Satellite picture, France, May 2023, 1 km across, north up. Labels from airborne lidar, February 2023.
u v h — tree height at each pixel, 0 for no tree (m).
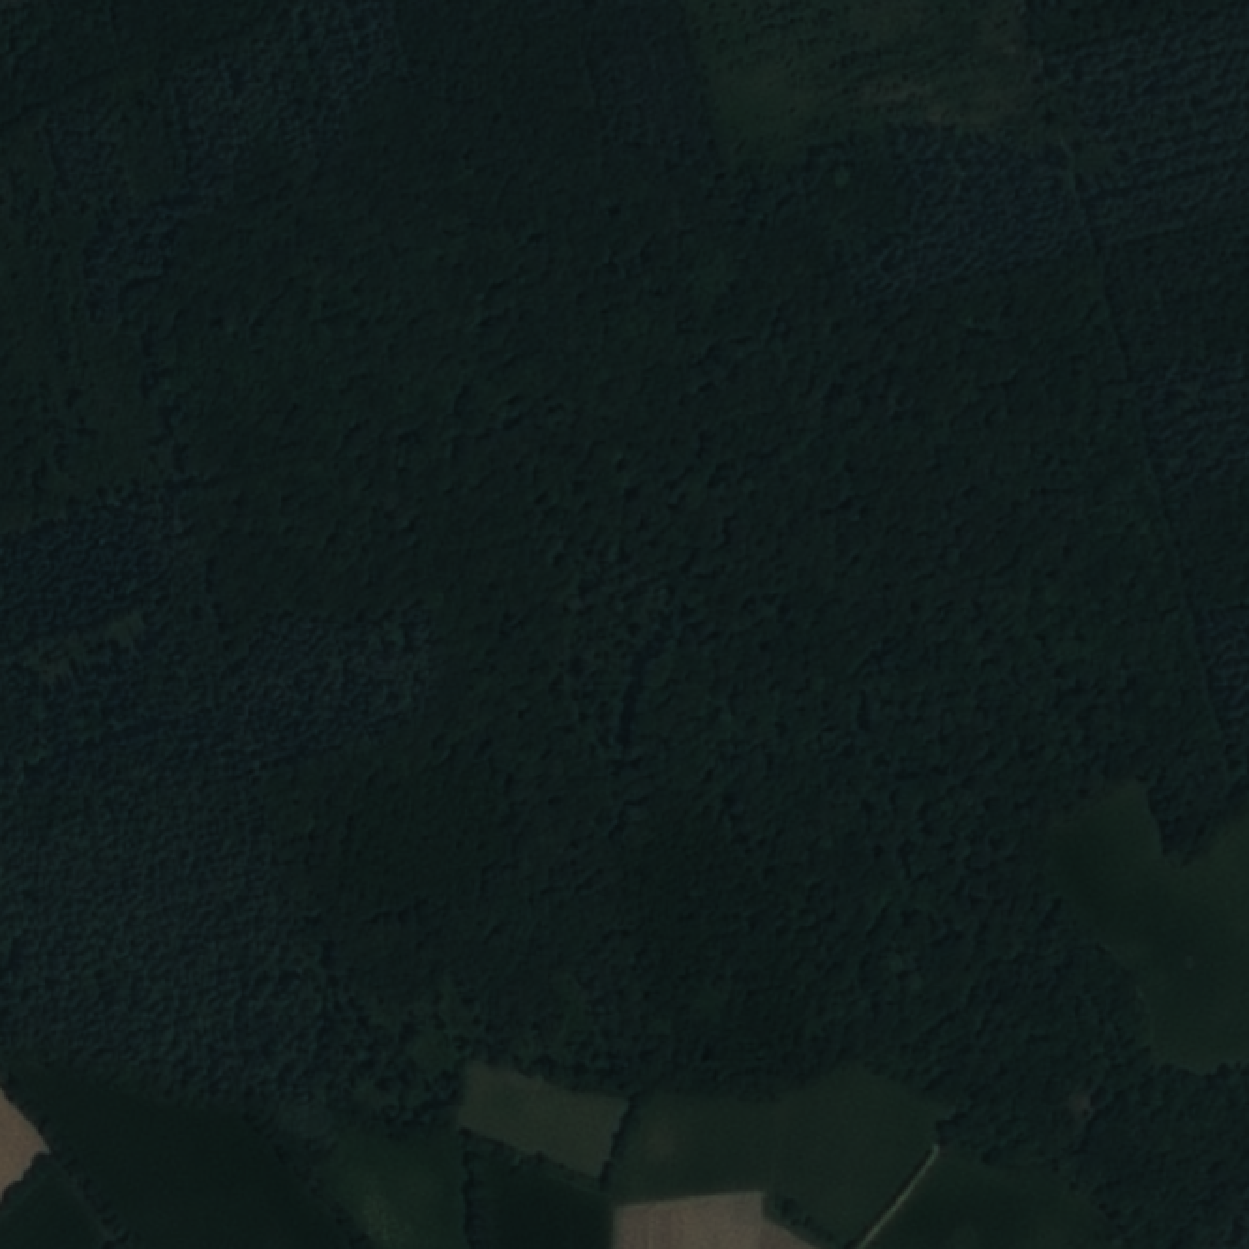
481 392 20
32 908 29
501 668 21
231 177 22
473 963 20
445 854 12
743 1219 0
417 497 22
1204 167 19
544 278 22
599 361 23
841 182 20
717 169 16
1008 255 24
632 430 22
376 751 21
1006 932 18
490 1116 0
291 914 20
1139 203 22
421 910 20
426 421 20
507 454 22
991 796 21
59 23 14
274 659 24
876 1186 0
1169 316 16
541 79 18
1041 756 24
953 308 23
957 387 17
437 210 22
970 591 17
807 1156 0
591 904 16
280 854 21
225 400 16
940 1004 24
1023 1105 13
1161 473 20
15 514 20
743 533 22
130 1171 0
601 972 20
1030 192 30
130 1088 19
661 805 22
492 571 19
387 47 18
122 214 19
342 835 10
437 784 11
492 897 17
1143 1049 10
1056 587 18
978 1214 0
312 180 27
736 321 21
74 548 27
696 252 23
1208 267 9
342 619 21
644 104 16
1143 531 16
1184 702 18
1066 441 17
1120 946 0
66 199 14
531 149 25
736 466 16
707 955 12
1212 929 0
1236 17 28
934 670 22
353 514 19
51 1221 0
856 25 0
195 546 21
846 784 22
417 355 22
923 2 0
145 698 20
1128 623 18
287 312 17
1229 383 19
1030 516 22
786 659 24
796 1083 16
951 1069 16
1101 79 27
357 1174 0
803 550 24
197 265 12
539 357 22
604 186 23
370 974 26
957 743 24
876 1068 8
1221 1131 16
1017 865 25
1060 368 19
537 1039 24
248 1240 0
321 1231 0
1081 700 20
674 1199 0
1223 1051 0
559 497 20
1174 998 0
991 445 20
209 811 19
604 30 14
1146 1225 17
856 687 22
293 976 7
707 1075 16
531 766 21
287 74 21
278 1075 27
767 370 24
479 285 22
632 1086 19
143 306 17
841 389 21
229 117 19
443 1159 0
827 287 20
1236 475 18
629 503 20
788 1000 14
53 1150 14
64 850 26
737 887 11
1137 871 0
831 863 23
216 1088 30
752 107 0
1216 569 13
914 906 18
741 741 23
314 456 18
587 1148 0
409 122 25
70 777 23
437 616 23
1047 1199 0
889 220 16
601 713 11
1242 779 8
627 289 23
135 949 29
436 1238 0
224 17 15
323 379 18
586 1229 0
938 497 17
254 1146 0
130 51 14
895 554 19
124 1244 14
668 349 24
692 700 19
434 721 24
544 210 23
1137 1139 10
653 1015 15
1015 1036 18
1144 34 17
